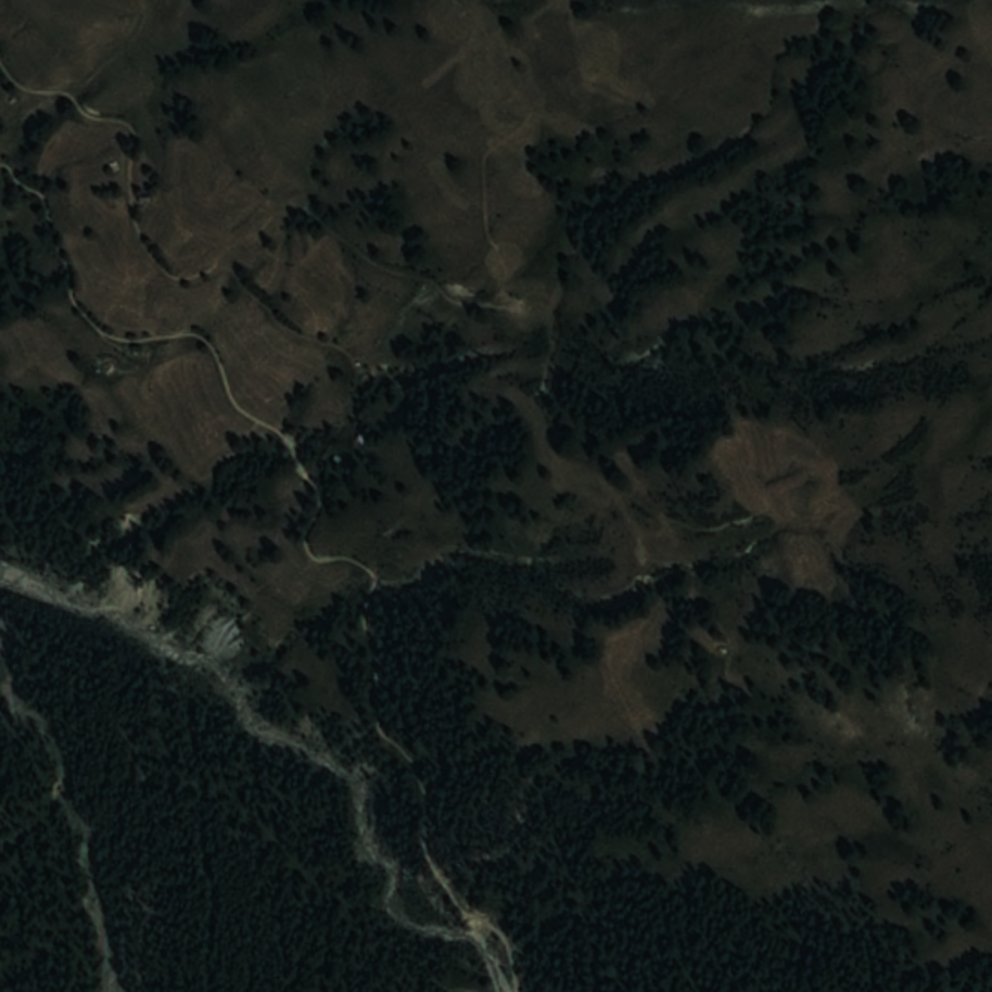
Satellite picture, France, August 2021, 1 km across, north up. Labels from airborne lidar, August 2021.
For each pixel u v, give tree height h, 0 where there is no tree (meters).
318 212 21
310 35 0
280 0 0
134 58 0
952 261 0
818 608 19
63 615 6
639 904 18
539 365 0
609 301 0
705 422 17
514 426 12
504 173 0
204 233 0
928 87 0
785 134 0
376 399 15
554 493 0
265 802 10
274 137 0
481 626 0
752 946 18
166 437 0
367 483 0
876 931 19
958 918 22
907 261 0
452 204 0
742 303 0
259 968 19
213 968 17
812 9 0
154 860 16
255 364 0
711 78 0
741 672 0
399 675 16
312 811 19
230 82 0
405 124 0
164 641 0
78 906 20
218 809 19
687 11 0
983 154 0
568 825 20
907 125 20
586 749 22
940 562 0
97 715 19
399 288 0
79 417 27
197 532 0
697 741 22
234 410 0
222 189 0
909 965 8
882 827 0
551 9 0
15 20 0
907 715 0
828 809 0
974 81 0
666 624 0
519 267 0
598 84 0
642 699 0
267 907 24
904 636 24
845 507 0
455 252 0
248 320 0
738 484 0
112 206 0
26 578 0
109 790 14
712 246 0
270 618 0
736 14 0
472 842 21
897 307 0
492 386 0
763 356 7
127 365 0
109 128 0
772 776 0
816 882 0
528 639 20
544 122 0
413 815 23
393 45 0
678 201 0
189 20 0
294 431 13
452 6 0
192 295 0
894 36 0
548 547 7
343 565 0
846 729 0
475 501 27
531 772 18
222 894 18
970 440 0
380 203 21
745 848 0
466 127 0
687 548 0
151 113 0
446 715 21
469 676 12
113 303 0
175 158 0
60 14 0
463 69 0
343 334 0
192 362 0
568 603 6
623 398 7
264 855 16
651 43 0
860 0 0
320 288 0
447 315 0
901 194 14
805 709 0
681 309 0
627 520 0
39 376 0
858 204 0
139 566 18
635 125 0
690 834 0
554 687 0
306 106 0
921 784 0
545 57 0
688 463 15
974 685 0
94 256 0
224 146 0
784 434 0
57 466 17
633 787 17
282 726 21
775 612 17
